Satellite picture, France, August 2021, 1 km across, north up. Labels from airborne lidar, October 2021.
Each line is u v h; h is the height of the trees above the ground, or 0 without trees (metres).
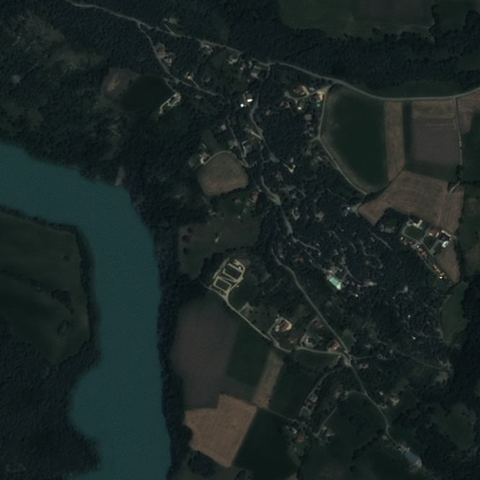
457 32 14
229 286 0
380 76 15
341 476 0
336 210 10
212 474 10
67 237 0
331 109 0
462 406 0
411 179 0
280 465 0
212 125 7
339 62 12
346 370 9
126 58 10
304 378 0
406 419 15
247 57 16
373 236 10
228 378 0
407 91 0
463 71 8
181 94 8
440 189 0
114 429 0
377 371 7
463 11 0
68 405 21
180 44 6
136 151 18
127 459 0
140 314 0
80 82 11
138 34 12
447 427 0
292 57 6
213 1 10
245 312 0
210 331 0
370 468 0
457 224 0
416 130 0
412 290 10
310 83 11
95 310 16
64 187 0
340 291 10
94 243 0
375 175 0
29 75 14
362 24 0
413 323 8
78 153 16
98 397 0
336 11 0
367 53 19
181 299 14
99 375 0
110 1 6
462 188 0
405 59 15
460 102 0
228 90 11
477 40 12
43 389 17
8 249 0
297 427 8
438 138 0
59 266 0
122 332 0
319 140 0
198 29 6
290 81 8
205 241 0
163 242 6
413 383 8
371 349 6
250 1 24
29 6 11
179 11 12
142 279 0
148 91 0
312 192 11
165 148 18
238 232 0
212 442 0
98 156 7
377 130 0
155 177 7
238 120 9
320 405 10
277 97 7
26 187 0
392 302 11
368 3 0
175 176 8
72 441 20
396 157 0
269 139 9
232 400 0
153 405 0
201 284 10
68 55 0
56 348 0
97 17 7
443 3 0
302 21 0
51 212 0
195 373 0
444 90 0
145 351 0
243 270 0
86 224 0
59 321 0
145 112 8
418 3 0
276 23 20
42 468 22
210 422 0
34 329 0
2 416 12
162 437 0
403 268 9
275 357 0
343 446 0
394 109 0
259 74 10
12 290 0
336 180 9
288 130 10
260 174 9
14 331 0
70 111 7
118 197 0
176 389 11
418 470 0
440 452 14
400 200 0
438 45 13
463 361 23
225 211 0
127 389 0
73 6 11
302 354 0
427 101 0
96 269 0
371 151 0
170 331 16
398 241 8
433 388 13
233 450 0
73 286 0
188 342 0
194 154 7
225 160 0
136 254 0
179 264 10
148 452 0
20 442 17
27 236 0
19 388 20
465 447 0
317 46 14
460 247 7
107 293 0
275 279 8
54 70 6
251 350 0
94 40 13
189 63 12
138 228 0
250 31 17
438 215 0
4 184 0
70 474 13
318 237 11
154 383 0
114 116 0
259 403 0
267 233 14
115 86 0
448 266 0
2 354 19
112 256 0
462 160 0
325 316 6
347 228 8
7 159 0
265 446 0
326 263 11
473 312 11
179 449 13
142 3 10
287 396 0
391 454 0
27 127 7
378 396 11
